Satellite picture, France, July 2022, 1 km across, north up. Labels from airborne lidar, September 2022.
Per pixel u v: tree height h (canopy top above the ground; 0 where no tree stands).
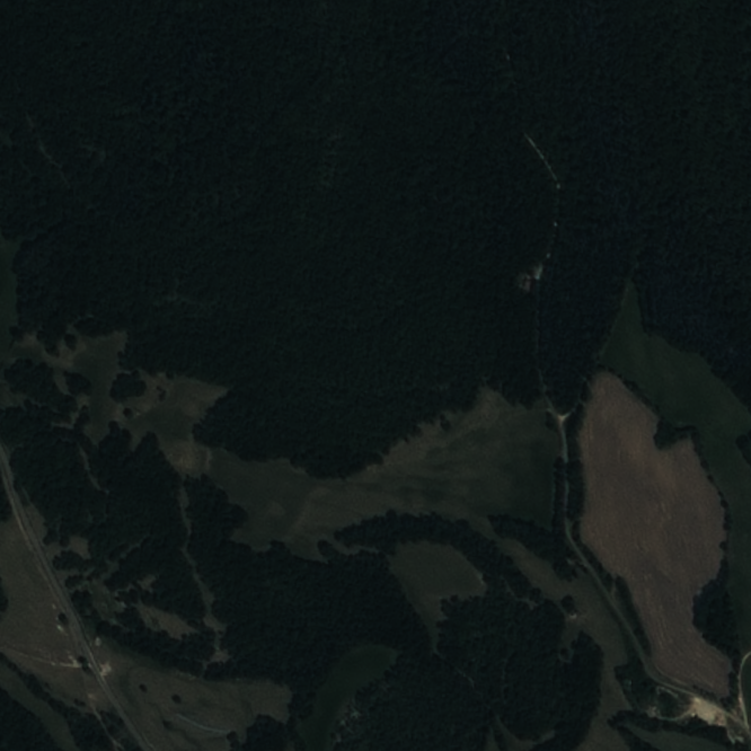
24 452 7
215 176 10
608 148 19
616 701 0
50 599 0
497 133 18
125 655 0
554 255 12
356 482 0
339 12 14
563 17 19
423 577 0
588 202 21
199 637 5
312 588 9
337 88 10
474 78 23
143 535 8
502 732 7
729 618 15
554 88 16
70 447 13
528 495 0
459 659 15
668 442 8
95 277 12
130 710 0
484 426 0
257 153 17
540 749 10
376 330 12
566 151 12
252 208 11
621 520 0
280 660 11
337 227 10
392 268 14
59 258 18
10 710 15
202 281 7
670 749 0
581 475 15
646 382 0
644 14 19
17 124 9
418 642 16
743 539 0
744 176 21
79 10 11
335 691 0
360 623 16
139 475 7
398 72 16
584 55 21
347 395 10
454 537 20
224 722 0
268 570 7
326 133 7
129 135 15
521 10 21
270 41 14
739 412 0
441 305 9
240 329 13
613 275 18
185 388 0
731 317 25
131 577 8
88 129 11
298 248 9
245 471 0
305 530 0
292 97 12
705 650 0
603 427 0
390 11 16
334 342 12
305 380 8
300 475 0
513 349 13
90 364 0
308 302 10
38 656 0
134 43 14
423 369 8
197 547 10
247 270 13
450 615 7
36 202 16
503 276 16
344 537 10
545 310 16
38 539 0
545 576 0
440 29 22
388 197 10
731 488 0
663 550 0
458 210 9
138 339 13
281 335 9
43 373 8
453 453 0
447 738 10
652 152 20
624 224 30
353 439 9
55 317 15
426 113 11
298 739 11
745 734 0
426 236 14
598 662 12
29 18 16
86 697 0
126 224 17
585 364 19
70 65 11
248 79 14
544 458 0
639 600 0
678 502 0
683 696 0
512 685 7
